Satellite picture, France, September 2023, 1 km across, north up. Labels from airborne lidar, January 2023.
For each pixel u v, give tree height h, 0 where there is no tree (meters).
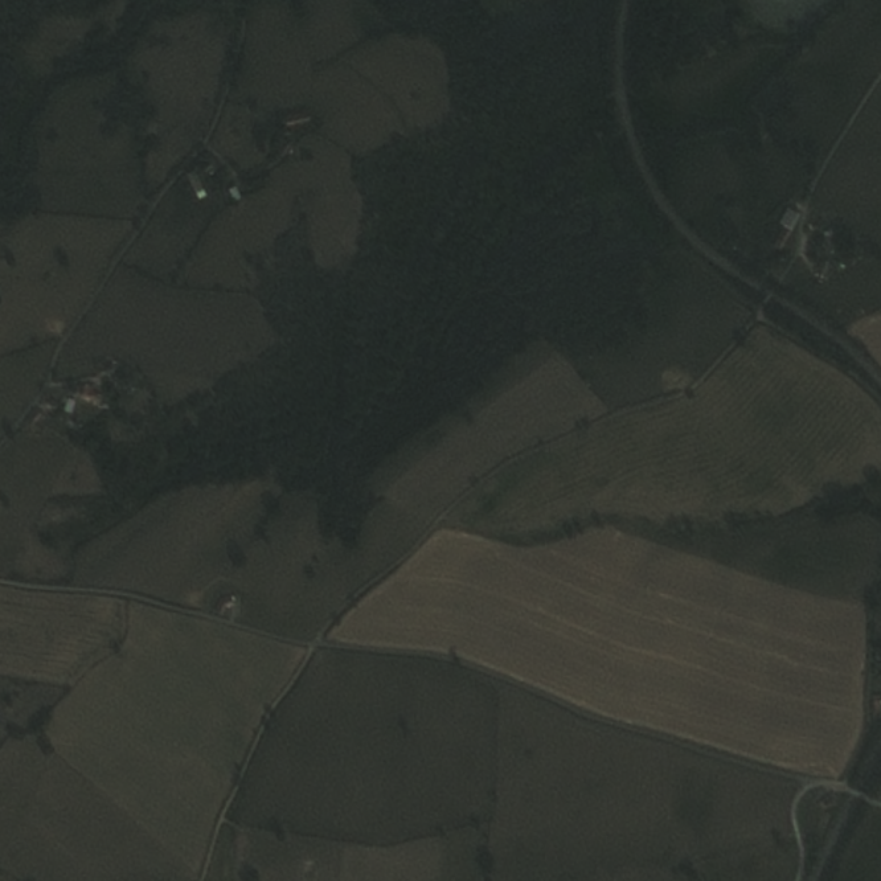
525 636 0
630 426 0
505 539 0
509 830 0
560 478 0
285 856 0
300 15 8
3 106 19
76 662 0
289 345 11
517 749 0
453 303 21
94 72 7
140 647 0
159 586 0
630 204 0
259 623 0
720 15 0
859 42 0
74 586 0
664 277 0
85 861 0
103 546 0
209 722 0
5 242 0
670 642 0
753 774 0
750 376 0
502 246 6
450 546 0
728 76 0
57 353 0
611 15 5
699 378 0
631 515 0
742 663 0
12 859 0
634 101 21
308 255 11
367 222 12
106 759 0
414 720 0
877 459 0
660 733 0
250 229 0
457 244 22
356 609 0
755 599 0
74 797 0
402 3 23
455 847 0
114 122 7
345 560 0
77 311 0
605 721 0
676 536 17
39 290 0
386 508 0
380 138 0
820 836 6
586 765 0
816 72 0
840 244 16
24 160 8
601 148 0
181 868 0
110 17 0
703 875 0
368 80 0
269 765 0
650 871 0
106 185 0
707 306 0
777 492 0
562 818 0
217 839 0
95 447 6
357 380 25
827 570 0
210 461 19
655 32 25
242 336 0
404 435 12
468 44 16
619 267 26
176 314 0
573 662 0
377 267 18
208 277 0
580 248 21
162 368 0
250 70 0
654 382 0
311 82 0
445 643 0
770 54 0
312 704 0
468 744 0
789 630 0
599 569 0
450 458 0
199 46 0
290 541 0
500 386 0
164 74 0
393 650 0
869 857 0
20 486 0
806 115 0
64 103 0
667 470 0
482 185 10
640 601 0
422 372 14
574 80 19
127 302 0
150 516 0
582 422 8
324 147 0
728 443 0
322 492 10
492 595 0
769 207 0
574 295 22
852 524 0
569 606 0
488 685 0
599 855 0
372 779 0
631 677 0
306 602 0
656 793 0
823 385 0
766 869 0
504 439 0
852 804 0
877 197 0
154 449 0
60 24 0
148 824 0
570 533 13
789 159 0
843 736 0
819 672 0
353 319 23
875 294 0
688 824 0
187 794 0
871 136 0
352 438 20
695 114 0
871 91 0
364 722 0
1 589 0
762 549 0
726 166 0
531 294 21
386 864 0
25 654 0
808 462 0
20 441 0
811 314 16
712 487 0
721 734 0
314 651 0
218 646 0
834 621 0
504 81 25
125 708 0
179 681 0
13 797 0
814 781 0
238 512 0
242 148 0
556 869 0
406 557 0
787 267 0
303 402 21
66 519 0
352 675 0
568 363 0
